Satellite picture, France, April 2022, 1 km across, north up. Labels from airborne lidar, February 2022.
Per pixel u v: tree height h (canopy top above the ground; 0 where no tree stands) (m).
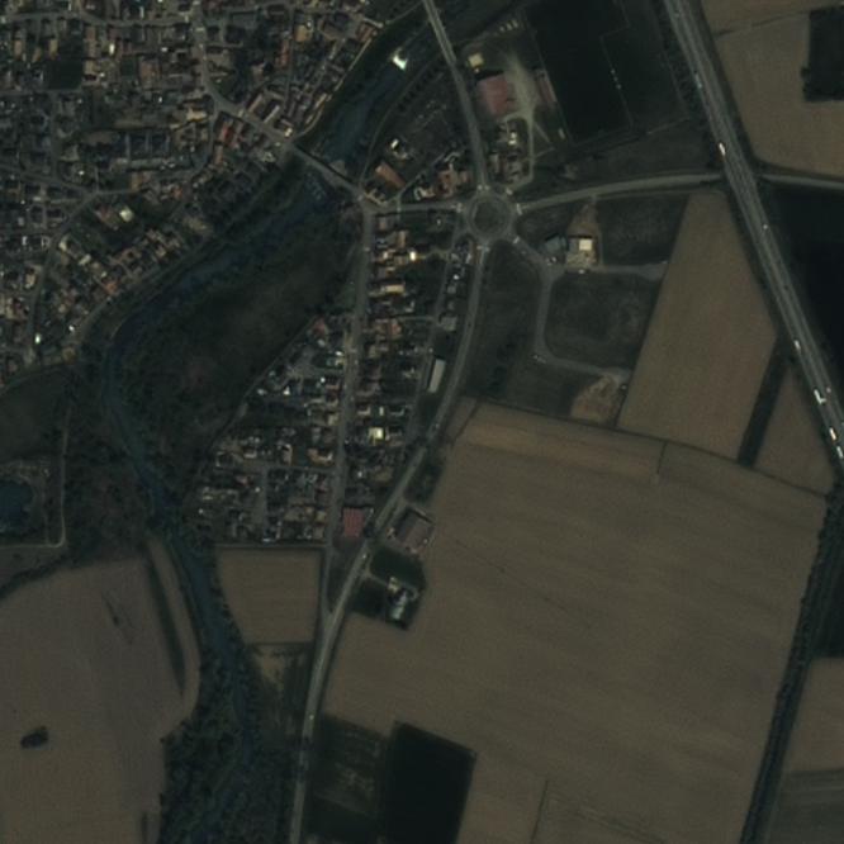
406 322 0
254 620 0
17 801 0
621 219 0
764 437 0
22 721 0
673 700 0
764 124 0
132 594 0
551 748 0
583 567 0
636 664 0
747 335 0
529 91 0
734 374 0
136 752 0
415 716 0
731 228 0
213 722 21
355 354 0
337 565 0
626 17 0
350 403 0
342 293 0
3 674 0
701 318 0
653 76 0
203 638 0
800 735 0
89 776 0
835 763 0
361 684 0
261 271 13
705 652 0
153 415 11
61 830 0
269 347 0
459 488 0
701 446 0
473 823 0
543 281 0
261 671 0
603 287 0
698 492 0
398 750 0
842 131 0
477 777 0
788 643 0
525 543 0
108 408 0
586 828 0
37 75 0
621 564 0
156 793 0
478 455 0
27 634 0
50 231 0
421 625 0
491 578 0
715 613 0
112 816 0
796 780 0
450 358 0
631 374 0
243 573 0
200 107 0
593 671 0
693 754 0
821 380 0
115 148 0
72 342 0
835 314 0
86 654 0
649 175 0
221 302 0
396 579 0
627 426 0
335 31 0
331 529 0
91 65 0
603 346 0
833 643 0
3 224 0
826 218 0
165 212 0
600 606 0
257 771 14
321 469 0
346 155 0
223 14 10
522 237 0
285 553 0
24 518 14
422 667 0
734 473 0
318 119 0
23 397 0
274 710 0
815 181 0
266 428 6
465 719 0
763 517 0
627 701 0
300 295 0
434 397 0
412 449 7
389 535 0
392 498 0
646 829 0
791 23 0
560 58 0
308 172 0
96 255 11
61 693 0
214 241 6
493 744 0
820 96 7
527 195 0
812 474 0
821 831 0
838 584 0
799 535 0
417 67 0
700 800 0
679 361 0
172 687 0
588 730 0
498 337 0
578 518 0
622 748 0
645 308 0
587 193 0
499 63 0
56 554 0
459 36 0
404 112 8
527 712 0
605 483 0
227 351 0
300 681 0
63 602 0
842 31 0
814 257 0
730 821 0
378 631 0
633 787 0
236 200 0
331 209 12
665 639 0
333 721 0
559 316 0
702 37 0
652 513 0
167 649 0
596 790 0
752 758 0
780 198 0
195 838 0
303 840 0
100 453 9
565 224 0
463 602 0
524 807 0
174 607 0
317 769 0
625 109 0
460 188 7
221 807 0
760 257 0
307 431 0
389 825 0
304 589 0
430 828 0
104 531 0
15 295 0
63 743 0
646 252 0
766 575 0
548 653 0
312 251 0
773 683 0
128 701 0
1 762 0
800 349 0
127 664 0
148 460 10
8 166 0
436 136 0
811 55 0
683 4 0
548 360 0
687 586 0
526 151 0
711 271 0
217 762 0
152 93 0
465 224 0
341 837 0
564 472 0
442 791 0
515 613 0
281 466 0
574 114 0
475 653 0
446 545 0
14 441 0
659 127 0
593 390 0
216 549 15
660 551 0
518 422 0
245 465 0
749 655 0
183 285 0
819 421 0
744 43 0
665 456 0
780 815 0
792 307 0
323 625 0
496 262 0
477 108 9
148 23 0
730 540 0
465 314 0
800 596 0
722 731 0
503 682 0
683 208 0
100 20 0
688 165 0
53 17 0
